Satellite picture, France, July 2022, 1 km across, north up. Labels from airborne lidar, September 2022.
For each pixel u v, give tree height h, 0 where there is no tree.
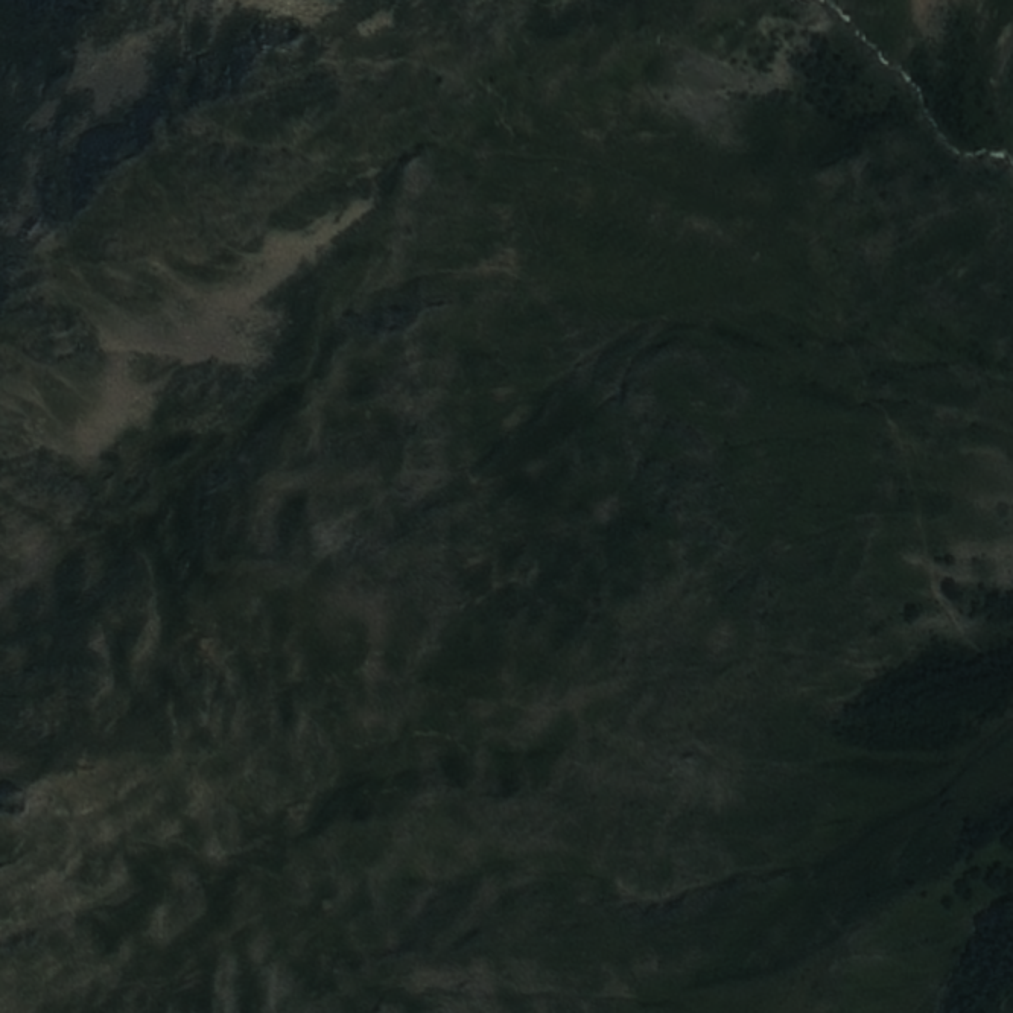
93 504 0
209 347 0
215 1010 0
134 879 0
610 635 0
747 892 0
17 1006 0
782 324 0
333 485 0
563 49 0
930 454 0
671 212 0
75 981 0
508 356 0
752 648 0
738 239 0
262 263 0
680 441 0
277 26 0
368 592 0
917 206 0
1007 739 0
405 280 0
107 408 0
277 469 0
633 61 0
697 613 0
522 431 0
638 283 0
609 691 0
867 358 0
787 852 0
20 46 0
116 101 0
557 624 0
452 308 0
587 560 0
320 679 0
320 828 0
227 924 0
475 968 0
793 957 0
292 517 0
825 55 15
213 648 0
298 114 6
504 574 0
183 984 0
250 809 0
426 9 0
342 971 0
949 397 0
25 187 0
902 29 0
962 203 0
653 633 0
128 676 0
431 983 0
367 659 0
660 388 0
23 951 0
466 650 0
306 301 0
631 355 0
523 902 0
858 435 0
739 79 0
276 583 0
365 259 0
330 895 0
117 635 0
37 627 0
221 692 0
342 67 0
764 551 0
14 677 0
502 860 0
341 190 0
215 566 0
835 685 0
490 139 0
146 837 0
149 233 0
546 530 0
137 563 0
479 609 0
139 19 0
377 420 0
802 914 0
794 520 0
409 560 0
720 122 0
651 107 0
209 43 0
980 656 7
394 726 0
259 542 0
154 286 0
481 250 0
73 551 0
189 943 0
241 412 0
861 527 0
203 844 0
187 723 0
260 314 0
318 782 0
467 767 0
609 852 0
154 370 0
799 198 0
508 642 0
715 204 0
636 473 0
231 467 0
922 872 0
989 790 0
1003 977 14
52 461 0
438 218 0
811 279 0
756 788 0
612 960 0
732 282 0
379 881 0
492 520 0
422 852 0
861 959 0
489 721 0
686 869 0
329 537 0
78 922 0
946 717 12
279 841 0
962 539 0
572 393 0
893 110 8
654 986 0
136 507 0
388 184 0
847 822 0
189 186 0
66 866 0
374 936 0
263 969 0
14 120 0
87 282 0
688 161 0
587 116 0
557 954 0
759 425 0
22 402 0
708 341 0
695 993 0
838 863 0
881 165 0
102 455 0
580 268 0
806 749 0
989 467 0
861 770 0
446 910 0
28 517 0
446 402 0
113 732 0
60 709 0
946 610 0
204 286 0
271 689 0
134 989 0
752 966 0
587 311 0
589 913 0
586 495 0
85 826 0
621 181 0
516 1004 0
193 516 0
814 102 9
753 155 0
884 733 12
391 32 0
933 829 0
